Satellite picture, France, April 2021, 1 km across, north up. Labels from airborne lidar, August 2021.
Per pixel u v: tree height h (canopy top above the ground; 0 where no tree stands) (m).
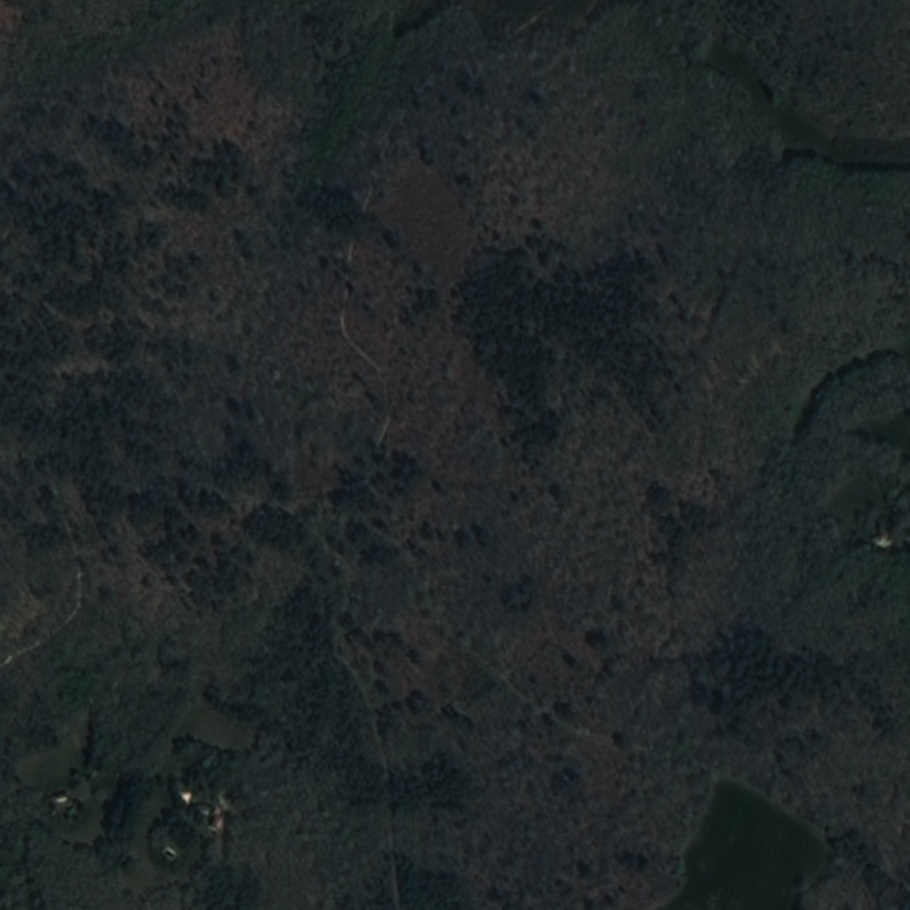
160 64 9
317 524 21
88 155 18
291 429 12
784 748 13
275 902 18
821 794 19
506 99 11
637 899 6
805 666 13
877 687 13
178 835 21
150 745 19
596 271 9
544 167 11
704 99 17
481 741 19
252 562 20
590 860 7
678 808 17
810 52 18
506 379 17
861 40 9
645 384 18
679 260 13
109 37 21
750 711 25
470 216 10
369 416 10
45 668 20
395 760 17
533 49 15
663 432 27
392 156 7
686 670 16
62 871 21
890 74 8
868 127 12
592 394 11
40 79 17
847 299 11
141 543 15
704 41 30
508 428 12
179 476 17
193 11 17
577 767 12
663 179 16
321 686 16
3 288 13
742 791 0
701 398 16
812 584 20
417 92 14
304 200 20
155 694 18
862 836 17
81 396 30
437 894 21
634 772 16
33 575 17
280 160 12
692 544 9
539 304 17
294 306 9
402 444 8
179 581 19
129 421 28
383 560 25
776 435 24
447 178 7
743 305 14
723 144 18
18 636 18
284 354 9
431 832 17
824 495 22
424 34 21
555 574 13
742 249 12
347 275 16
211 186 25
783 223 23
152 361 24
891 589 21
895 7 16
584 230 14
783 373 17
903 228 10
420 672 22
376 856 16
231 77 6
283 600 19
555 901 7
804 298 16
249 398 11
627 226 9
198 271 24
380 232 10
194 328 23
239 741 0
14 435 22
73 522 14
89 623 11
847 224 18
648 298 13
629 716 11
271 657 19
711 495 10
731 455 20
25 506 16
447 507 7
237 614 14
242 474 23
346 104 25
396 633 8
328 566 14
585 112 14
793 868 0
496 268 15
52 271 19
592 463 17
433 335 9
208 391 10
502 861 6
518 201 10
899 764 16
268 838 22
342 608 17
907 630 17
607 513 19
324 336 7
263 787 18
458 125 10
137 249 14
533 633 7
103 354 28
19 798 13
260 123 13
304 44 12
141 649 13
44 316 19
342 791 17
